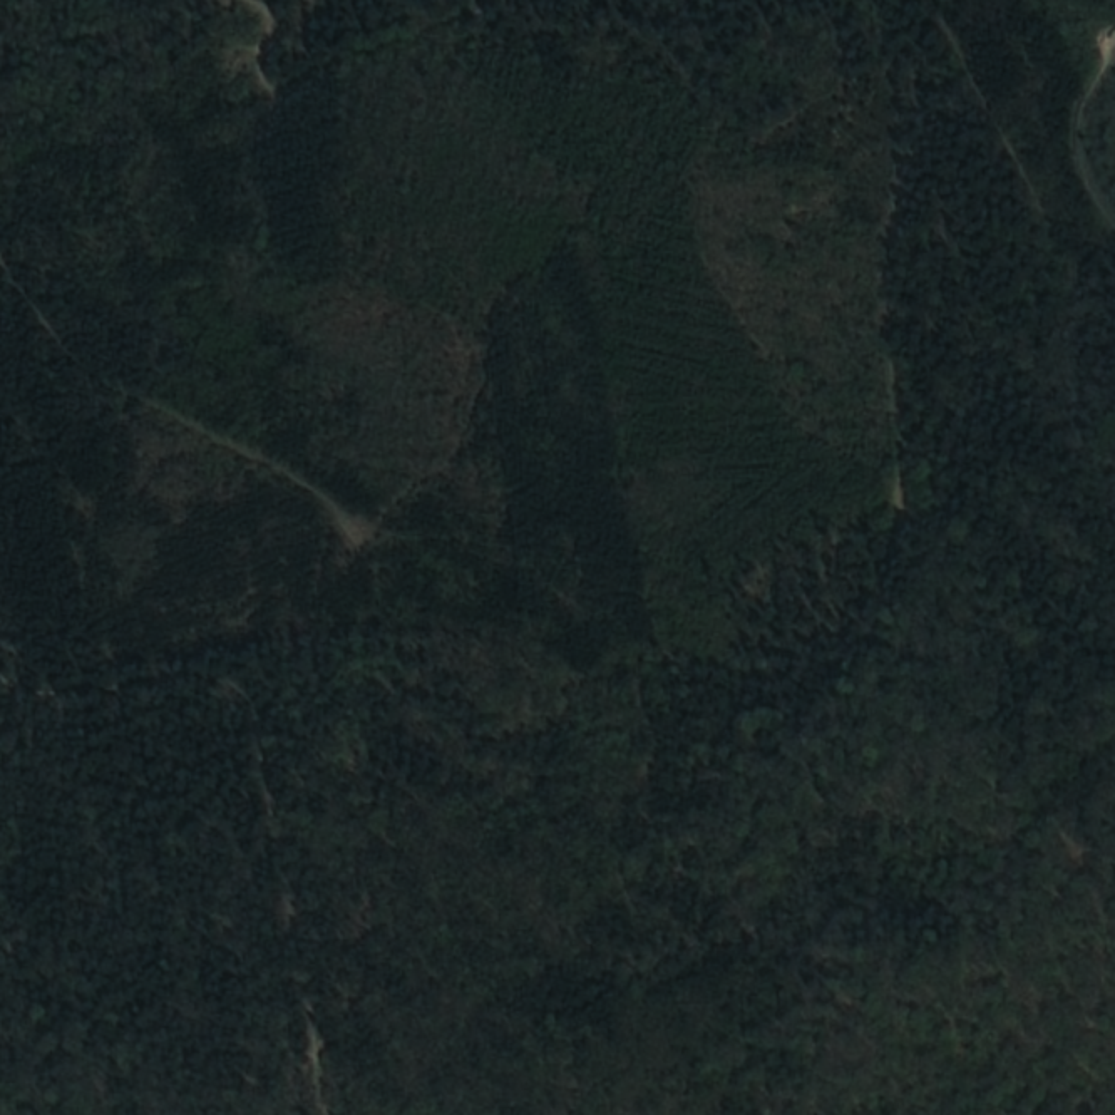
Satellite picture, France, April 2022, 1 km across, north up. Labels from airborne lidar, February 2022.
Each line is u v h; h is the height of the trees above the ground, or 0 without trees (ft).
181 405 35
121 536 35
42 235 66
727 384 43
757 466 29
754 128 89
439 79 24
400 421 36
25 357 46
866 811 99
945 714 95
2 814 97
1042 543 81
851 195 32
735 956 34
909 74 129
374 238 26
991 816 82
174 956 95
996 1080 100
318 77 48
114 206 49
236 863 77
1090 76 45
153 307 75
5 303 65
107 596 25
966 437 73
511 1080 53
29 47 35
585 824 68
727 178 23
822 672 91
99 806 82
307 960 93
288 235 64
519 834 56
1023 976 98
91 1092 97
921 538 111
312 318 22
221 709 70
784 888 26
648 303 40
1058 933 94
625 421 42
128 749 90
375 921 41
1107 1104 59
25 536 71
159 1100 85
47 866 83
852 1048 93
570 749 56
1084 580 55
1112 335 74
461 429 30
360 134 30
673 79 59
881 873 85
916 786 94
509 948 55
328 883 54
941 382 44
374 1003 66
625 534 69
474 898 51
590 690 38
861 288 33
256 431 36
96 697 91
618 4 118
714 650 39
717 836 72
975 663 107
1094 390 86
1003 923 99
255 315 30
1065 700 95
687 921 51
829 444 28
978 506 91
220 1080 72
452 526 27
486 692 62
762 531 35
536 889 46
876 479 36
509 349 57
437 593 23
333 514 0
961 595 70
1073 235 66
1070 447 108
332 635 24
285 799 85
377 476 23
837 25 26
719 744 42
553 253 34
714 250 31
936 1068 95
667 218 38
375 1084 40
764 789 94
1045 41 51
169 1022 85
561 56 43
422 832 51
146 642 26
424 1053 54
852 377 31
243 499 28
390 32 56
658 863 34
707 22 120
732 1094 20
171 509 32
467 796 64
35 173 58
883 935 115
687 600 33
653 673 39
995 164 104
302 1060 76
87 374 60
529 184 36
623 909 63
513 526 51
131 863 102
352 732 86
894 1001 108
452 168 33
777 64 47
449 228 31
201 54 40
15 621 68
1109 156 81
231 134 52
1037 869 93
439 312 20
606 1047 38
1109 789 57
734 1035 34
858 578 28
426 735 62
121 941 72
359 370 32
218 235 40
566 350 58
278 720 83
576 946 45
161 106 40
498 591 35
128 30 60
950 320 71
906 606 102
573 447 55
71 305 64
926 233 101
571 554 32
